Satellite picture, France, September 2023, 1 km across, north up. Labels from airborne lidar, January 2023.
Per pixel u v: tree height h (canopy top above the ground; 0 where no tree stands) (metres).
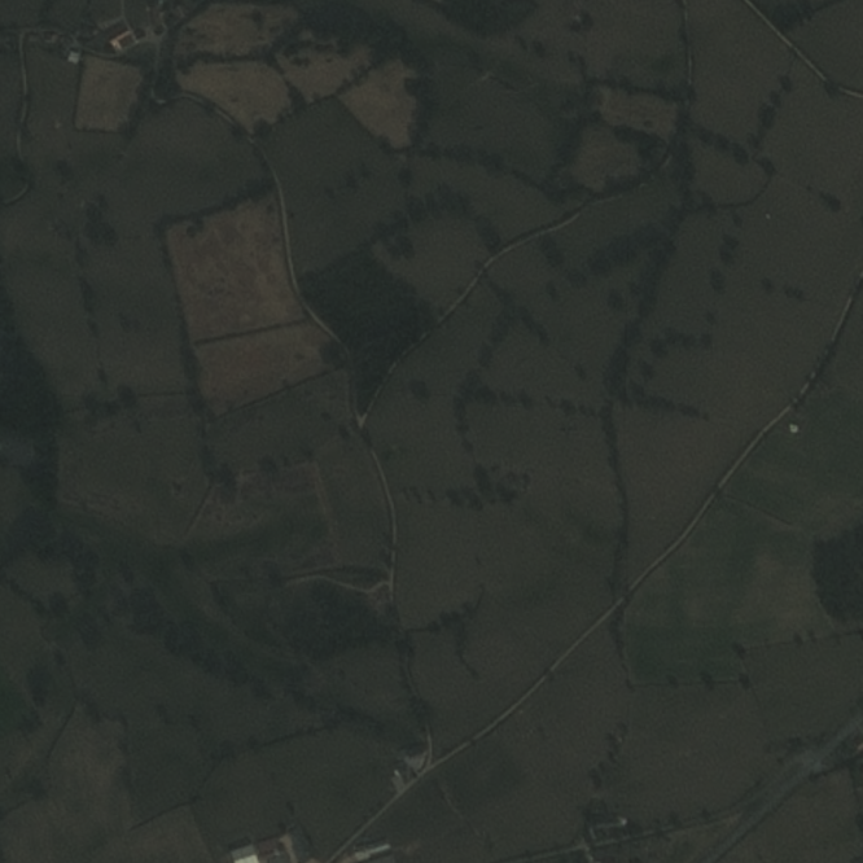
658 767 0
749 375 0
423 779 0
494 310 0
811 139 0
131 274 0
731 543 0
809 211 0
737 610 0
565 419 0
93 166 0
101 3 0
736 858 0
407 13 0
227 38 0
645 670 0
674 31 0
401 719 0
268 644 0
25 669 0
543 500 0
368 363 14
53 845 0
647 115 0
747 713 0
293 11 0
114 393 0
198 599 0
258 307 0
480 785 0
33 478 19
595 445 0
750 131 0
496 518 0
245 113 0
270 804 0
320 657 18
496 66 0
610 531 0
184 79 0
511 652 0
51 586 0
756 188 0
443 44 0
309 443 0
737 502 0
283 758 0
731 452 0
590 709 0
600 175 0
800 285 0
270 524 0
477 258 0
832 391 0
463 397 12
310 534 0
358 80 11
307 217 0
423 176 0
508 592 0
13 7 0
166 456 0
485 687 0
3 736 0
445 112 0
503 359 0
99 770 0
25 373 27
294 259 0
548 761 0
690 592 0
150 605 17
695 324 0
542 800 0
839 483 0
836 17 0
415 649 9
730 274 0
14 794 0
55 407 21
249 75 0
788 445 0
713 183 0
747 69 0
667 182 0
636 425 0
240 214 0
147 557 0
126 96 0
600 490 0
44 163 0
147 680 0
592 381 0
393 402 0
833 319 0
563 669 0
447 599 0
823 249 0
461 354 0
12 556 13
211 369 0
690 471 0
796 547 0
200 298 0
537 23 0
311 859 0
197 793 0
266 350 0
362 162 0
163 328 0
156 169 0
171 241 0
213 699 0
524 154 0
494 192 0
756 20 0
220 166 0
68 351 0
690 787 0
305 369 0
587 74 10
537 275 0
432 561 0
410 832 0
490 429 0
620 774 0
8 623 0
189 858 0
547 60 0
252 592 0
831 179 0
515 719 0
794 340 0
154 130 0
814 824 0
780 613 0
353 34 17
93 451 0
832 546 12
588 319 0
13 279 0
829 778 0
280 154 0
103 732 0
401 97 0
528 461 0
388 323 7
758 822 0
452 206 22
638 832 8
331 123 0
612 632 12
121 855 0
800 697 0
